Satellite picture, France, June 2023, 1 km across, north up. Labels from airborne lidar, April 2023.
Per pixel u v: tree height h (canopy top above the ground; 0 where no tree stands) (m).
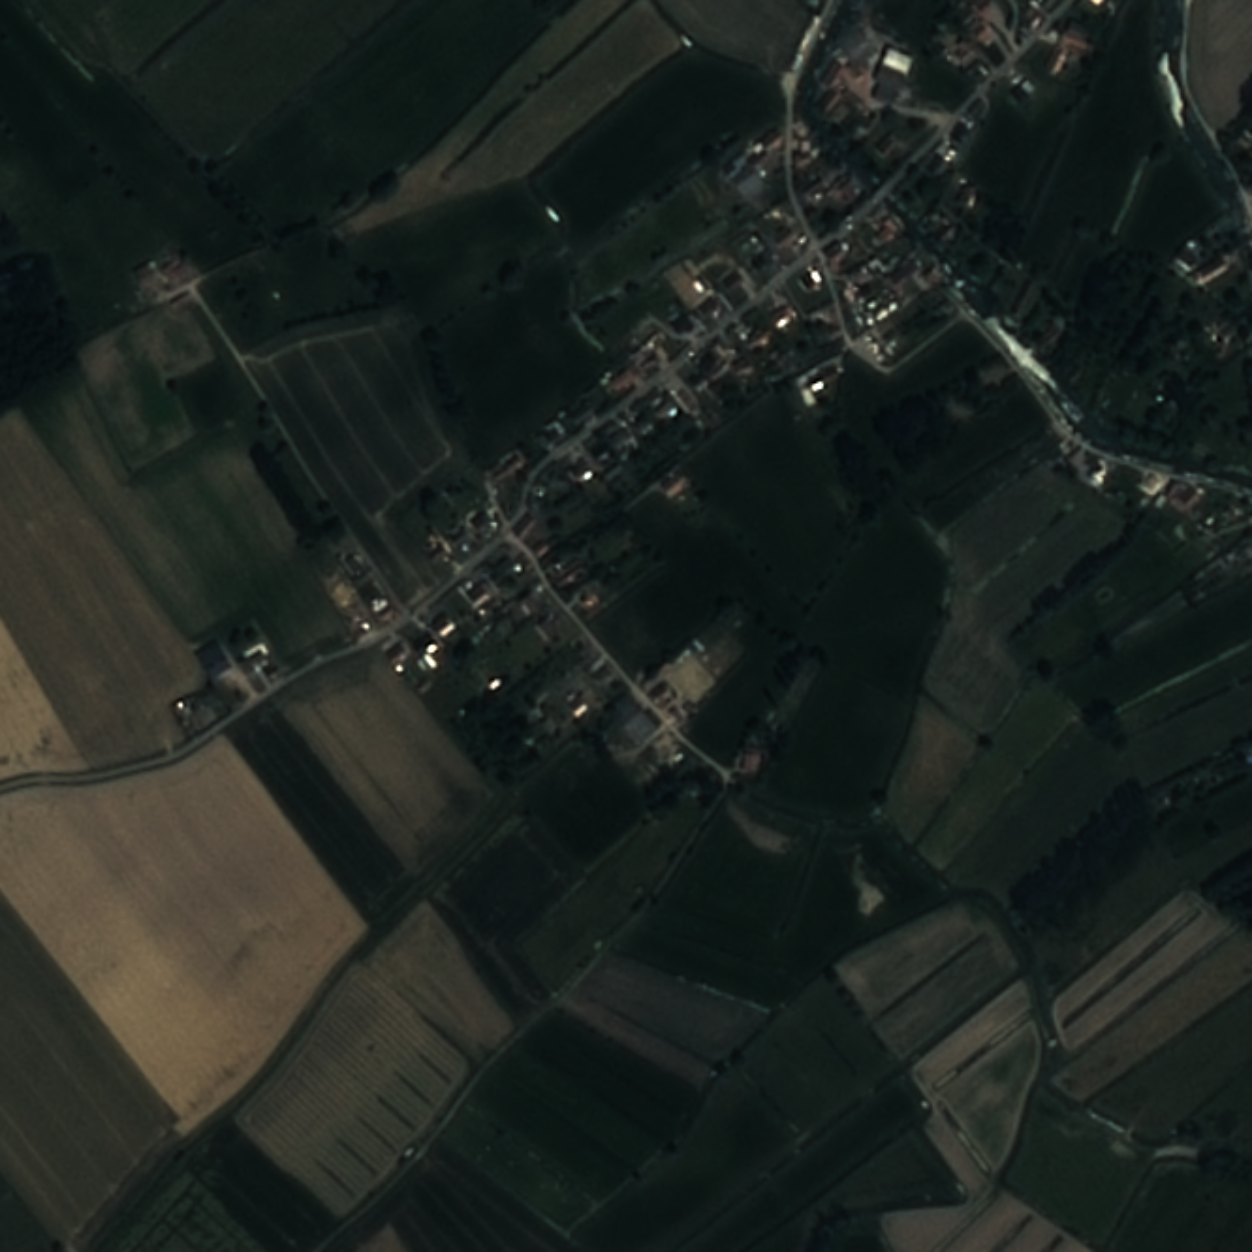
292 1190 0
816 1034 0
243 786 0
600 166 0
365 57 0
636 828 0
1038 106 0
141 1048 0
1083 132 0
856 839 0
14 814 0
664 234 0
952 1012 0
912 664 0
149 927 0
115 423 0
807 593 0
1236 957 0
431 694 0
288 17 0
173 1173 0
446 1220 0
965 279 0
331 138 0
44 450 0
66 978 0
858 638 0
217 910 0
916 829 0
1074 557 0
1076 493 0
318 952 0
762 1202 0
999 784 0
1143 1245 0
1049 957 0
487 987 0
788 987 0
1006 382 7
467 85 0
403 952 0
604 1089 0
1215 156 0
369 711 0
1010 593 0
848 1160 0
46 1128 0
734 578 0
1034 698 0
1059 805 0
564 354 0
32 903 0
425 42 0
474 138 0
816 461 0
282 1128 0
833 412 6
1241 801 0
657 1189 0
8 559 0
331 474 0
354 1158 0
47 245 0
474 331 0
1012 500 0
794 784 0
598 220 0
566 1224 0
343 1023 0
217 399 0
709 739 0
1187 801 11
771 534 0
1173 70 0
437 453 0
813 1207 0
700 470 0
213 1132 0
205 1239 0
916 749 0
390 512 0
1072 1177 0
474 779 0
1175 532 0
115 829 0
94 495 0
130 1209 0
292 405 0
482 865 0
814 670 0
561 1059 0
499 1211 0
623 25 0
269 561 0
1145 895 0
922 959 0
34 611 0
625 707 0
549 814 0
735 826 0
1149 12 0
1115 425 6
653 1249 0
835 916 0
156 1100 0
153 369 0
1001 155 0
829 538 0
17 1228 0
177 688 0
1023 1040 0
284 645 0
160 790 0
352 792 0
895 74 0
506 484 0
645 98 0
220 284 0
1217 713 0
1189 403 29
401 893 0
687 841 0
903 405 0
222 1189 0
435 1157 0
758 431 0
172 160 0
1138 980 0
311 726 0
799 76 0
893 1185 0
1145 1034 0
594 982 0
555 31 0
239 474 0
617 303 9
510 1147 0
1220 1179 9
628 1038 0
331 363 0
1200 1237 0
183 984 0
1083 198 0
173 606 0
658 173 0
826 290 0
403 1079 0
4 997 0
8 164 0
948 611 9
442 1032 0
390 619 0
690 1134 0
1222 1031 0
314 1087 0
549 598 0
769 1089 0
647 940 0
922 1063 0
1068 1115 0
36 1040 0
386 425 0
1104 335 8
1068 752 0
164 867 0
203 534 0
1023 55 0
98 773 0
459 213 0
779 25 0
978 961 0
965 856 0
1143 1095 0
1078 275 0
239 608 0
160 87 0
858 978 0
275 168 0
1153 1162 0
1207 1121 0
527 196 0
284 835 0
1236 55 0
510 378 0
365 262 0
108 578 0
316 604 0
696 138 0
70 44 0
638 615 0
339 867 0
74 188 0
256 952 0
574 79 0
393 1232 0
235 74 0
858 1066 0
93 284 0
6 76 0
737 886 0
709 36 0
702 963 0
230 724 0
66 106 0
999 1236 0
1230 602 0
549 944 0
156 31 0
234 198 11
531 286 0
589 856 0
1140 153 0
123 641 0
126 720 0
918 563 0
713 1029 0
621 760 0
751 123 0
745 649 0
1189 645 0
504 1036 0
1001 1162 0
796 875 0
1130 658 0
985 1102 0
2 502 0
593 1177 0
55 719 0
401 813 0
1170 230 0
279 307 0
